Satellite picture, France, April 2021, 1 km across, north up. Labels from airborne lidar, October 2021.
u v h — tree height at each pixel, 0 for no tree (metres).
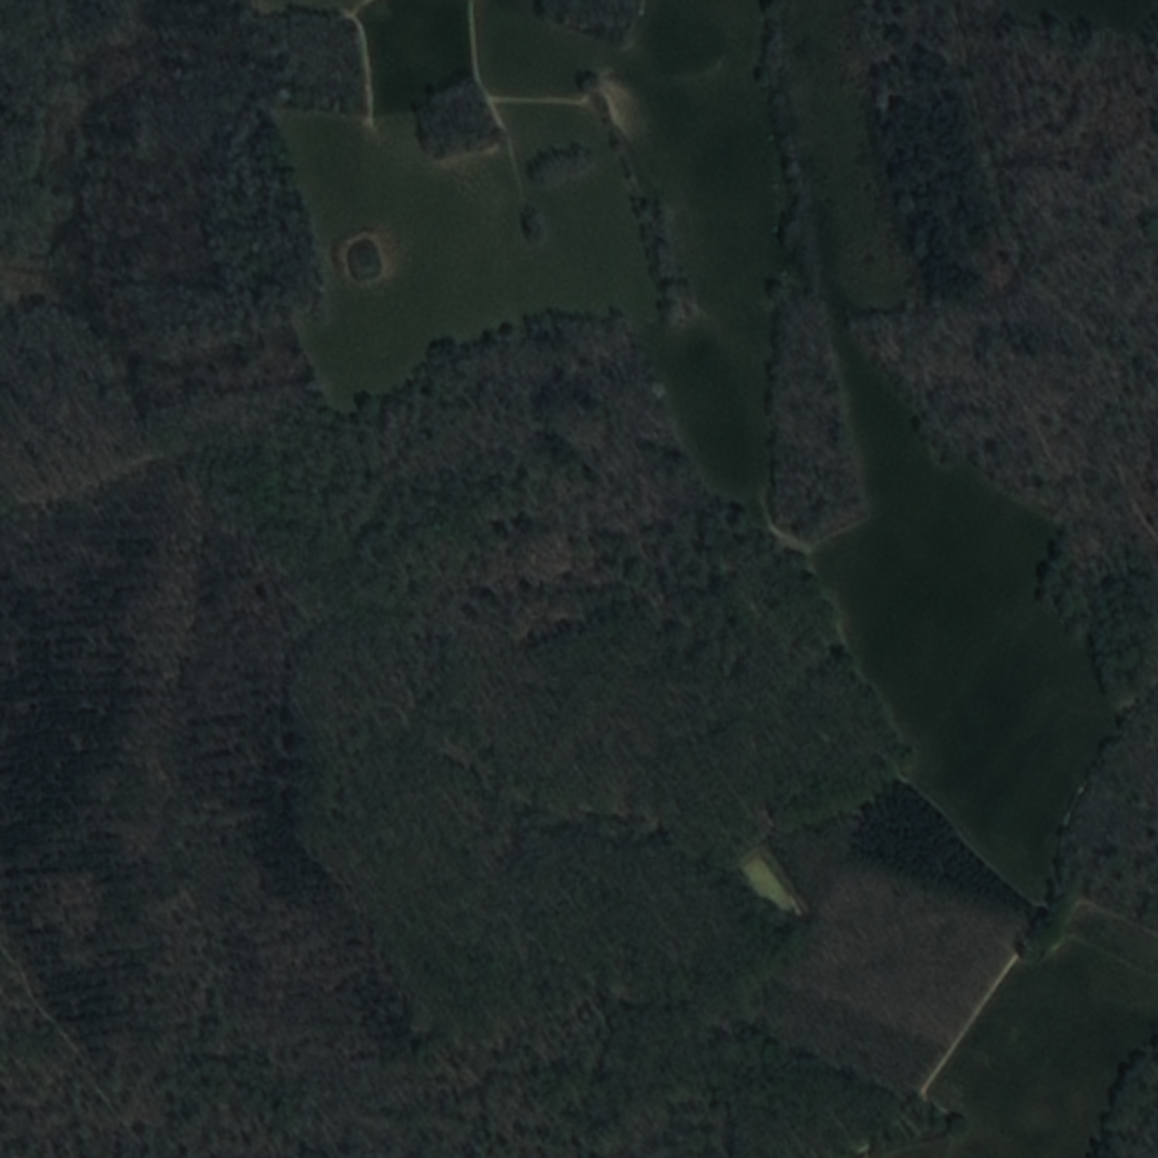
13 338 25
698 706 20
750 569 21
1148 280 20
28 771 10
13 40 30
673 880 23
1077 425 17
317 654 23
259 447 17
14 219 27
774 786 20
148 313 19
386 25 0
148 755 11
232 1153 11
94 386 21
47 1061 20
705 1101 18
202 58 18
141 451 22
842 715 21
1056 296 23
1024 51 13
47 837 9
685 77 0
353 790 20
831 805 21
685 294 18
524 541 21
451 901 20
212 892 11
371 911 17
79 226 7
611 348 20
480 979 26
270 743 11
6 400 22
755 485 0
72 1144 14
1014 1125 0
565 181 11
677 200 0
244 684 12
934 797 0
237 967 8
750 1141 19
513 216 0
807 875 14
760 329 0
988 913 14
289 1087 15
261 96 13
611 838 23
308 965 9
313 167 0
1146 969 0
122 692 10
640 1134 19
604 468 18
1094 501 19
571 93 0
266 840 11
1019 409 16
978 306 16
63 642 9
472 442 13
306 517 28
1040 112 13
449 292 0
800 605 23
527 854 27
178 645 10
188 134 17
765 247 0
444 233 0
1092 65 17
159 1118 17
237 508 22
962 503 0
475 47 0
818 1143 24
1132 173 17
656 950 21
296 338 8
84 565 10
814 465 15
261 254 20
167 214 19
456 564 18
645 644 21
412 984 18
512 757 26
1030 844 0
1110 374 18
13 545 11
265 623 10
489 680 18
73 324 23
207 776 8
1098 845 15
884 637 0
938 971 21
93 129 7
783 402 15
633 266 0
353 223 0
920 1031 21
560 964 24
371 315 0
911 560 0
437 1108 17
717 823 23
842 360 0
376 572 21
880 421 0
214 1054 14
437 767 23
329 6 0
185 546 9
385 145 0
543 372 20
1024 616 0
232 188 20
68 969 9
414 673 20
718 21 0
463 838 25
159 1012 15
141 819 9
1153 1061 10
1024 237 17
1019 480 12
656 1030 23
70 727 10
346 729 20
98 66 8
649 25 0
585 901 26
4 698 8
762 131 0
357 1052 8
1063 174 18
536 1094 25
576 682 19
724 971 23
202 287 7
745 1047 25
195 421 19
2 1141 21
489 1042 24
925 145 21
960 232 21
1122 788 17
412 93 0
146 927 9
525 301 0
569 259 0
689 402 0
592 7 16
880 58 12
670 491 15
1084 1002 0
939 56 17
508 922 25
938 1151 0
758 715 21
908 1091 14
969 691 0
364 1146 14
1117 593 23
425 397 14
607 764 24
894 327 13
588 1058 24
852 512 15
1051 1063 0
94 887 7
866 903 21
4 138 20
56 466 18
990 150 6
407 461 17
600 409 21
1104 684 20
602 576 16
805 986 20
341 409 0
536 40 0
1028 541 0
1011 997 0
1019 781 0
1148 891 11
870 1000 22
